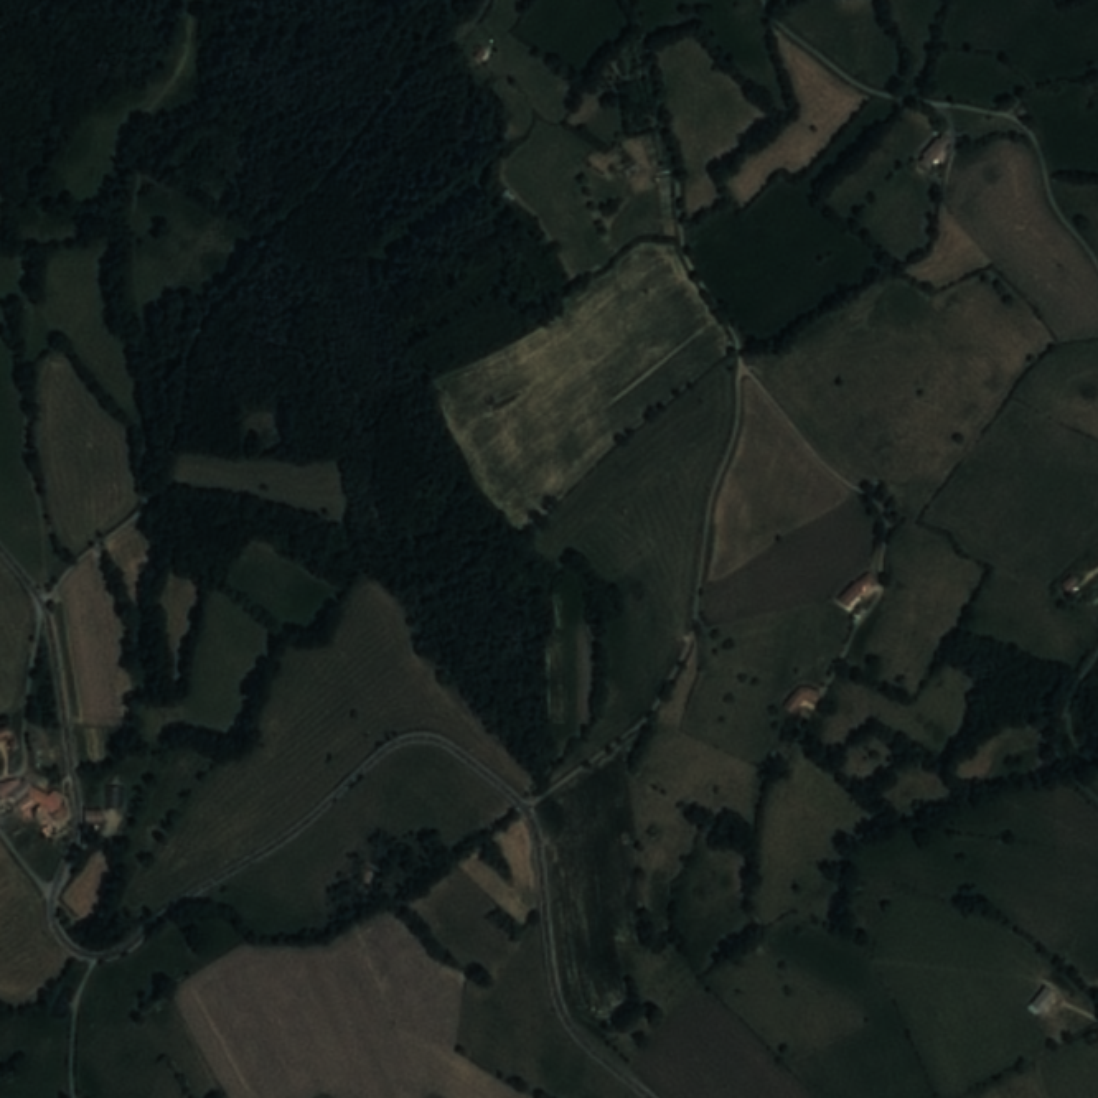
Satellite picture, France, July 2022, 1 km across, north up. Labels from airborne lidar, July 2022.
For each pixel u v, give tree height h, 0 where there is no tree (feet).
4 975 0
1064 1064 0
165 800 0
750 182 0
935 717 0
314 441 55
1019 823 0
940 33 36
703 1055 0
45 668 35
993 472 0
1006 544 0
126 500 0
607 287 0
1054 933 0
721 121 0
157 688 61
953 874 0
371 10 66
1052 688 49
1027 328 0
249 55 36
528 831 0
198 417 64
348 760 0
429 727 0
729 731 0
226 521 28
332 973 0
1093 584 0
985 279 28
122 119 0
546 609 50
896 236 0
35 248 61
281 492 0
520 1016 0
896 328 0
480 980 58
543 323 39
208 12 65
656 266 0
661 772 0
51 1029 0
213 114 88
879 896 0
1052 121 0
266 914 0
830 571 0
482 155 84
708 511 0
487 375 0
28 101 27
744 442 0
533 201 0
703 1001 0
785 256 0
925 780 0
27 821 0
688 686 0
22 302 48
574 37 0
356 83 63
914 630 0
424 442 55
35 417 44
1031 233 0
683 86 0
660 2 0
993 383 0
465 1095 0
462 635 45
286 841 0
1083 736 35
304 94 69
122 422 44
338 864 0
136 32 98
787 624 0
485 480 0
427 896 36
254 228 51
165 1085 0
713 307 26
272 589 0
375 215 80
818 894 0
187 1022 0
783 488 0
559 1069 0
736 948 71
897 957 0
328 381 54
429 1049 0
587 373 0
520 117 0
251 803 0
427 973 0
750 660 0
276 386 55
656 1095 0
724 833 54
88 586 0
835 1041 0
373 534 33
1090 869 0
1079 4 46
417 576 42
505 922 28
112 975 0
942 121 41
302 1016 0
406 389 37
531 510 0
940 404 0
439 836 40
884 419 0
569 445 0
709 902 0
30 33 42
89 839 64
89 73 65
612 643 0
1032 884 0
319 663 0
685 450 0
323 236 57
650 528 0
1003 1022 0
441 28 81
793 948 0
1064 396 0
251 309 66
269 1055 0
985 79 0
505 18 0
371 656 0
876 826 80
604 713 36
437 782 0
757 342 54
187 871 0
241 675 0
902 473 0
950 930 0
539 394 0
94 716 0
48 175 73
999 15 0
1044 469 0
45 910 0
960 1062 0
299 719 0
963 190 0
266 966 0
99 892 0
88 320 0
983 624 0
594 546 0
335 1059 0
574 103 53
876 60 0
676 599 0
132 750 66
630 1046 0
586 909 0
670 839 0
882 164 0
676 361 0
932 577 0
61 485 0
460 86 46
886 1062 0
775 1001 0
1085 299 0
